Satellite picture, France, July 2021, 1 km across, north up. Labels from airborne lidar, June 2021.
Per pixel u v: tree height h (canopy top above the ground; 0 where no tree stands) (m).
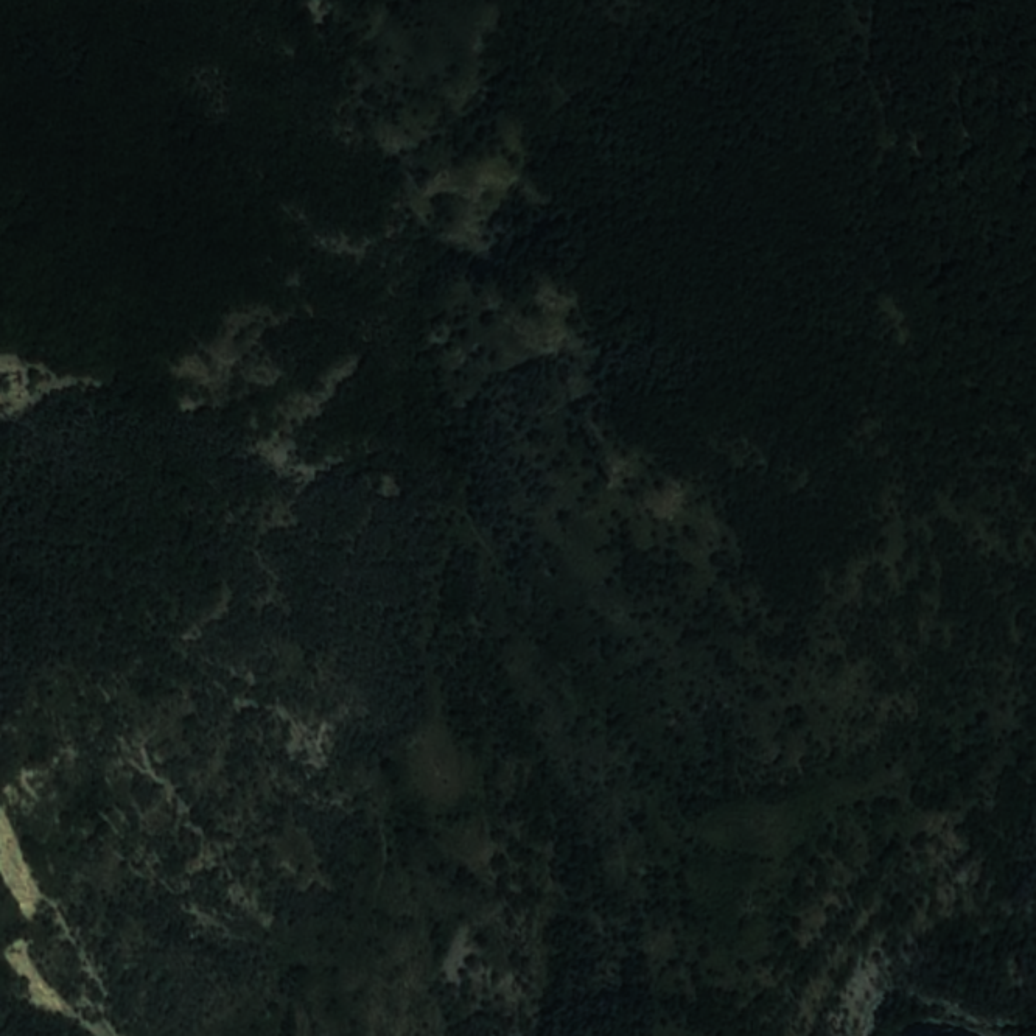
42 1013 11
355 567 14
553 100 9
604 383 14
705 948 8
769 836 0
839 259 12
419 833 12
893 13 22
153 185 18
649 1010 16
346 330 13
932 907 12
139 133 23
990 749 13
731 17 11
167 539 15
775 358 22
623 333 8
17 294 21
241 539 8
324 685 9
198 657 9
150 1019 6
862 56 7
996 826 12
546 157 18
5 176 21
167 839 8
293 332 13
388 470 17
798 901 10
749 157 22
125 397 19
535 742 8
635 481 7
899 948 16
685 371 19
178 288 14
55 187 22
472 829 0
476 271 9
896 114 19
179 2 16
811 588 10
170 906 9
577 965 8
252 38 11
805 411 15
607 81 20
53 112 25
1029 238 23
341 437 10
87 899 8
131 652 12
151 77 25
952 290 16
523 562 17
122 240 26
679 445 11
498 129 8
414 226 16
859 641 11
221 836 8
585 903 6
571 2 11
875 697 6
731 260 19
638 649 11
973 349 13
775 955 10
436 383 8
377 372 16
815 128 14
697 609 9
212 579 13
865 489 10
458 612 14
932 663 11
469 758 0
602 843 8
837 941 14
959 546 9
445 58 0
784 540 14
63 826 7
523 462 11
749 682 7
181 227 19
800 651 8
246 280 14
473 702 10
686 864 11
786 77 19
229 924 6
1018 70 28
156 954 7
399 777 6
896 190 19
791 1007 7
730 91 25
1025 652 10
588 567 0
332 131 11
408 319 14
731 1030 15
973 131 27
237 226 12
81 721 9
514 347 0
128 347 13
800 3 16
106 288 22
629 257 16
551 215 13
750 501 13
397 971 7
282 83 18
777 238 21
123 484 19
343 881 13
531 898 17
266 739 9
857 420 8
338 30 13
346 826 14
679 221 19
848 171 11
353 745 10
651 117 20
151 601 9
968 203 18
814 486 7
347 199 16
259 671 8
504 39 20
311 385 10
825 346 15
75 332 16
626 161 14
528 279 12
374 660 12
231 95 9
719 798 8
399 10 17
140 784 11
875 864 12
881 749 12
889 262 10
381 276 12
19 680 9
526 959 9
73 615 17
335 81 14
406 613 15
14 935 8
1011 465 6
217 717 8
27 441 22
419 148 9
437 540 16
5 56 26
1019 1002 17
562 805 7
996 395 10
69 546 12
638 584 8
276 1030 7
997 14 21
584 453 5
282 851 0
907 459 8
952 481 8
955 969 11
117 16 21
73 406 14
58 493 8
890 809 12
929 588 10
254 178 10
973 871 12
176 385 13
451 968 0
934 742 11
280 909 13
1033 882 17
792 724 9
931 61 26
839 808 8
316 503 15
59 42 33
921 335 11
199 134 17
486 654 11
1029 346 17
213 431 13
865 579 8
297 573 13
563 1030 15
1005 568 9
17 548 22
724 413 14
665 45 18
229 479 16
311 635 15
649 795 8
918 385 11
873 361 7
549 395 9
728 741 12
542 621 6
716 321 17
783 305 23
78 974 6
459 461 17
